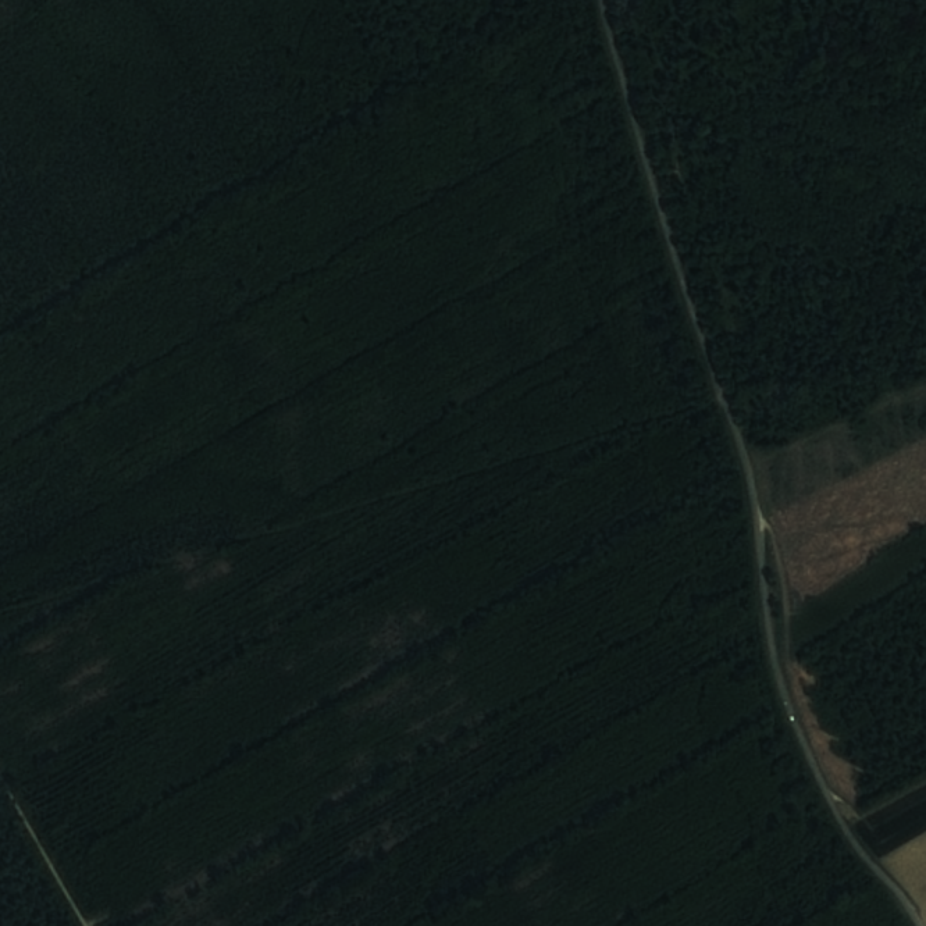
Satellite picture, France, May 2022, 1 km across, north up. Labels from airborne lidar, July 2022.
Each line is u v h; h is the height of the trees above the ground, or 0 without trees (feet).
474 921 17
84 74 20
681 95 54
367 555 24
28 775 21
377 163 25
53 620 85
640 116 81
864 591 0
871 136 59
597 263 26
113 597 54
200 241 29
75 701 17
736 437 0
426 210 37
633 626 22
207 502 31
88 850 33
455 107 24
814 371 89
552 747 29
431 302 25
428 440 34
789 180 74
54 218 33
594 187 70
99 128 19
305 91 41
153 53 21
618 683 19
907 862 0
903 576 0
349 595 22
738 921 26
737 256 79
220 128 36
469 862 27
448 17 41
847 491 0
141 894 17
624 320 27
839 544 0
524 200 26
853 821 0
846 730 19
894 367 50
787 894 22
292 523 24
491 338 27
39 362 23
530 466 34
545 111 41
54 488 17
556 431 23
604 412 33
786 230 45
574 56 27
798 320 35
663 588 20
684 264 46
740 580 35
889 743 36
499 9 76
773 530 0
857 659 42
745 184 51
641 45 26
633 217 61
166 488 29
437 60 57
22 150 18
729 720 18
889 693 66
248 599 18
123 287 22
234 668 23
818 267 28
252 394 22
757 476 0
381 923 29
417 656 79
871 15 96
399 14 77
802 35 30
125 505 37
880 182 44
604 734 38
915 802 0
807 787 64
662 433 30
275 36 31
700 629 21
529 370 40
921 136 61
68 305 70
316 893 25
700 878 17
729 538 35
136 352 21
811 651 47
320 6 18
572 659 25
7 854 95
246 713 19
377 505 19
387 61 31
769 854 19
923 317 73
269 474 18
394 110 75
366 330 20
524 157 43
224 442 29
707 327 52
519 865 64
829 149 73
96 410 41
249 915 20
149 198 29
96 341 18
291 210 19
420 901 22
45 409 19
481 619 62
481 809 40
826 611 0
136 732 18
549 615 22
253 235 23
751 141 63
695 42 87
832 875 32
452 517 19
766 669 41
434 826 27
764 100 37
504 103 33
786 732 27
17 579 30
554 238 17
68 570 25
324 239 19
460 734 56
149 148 19
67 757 25
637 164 21
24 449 25
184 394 23
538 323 20
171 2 19
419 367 24
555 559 20
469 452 27
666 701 19
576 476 29
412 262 19
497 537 19
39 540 31
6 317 26
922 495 0
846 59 88
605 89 82
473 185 41
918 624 42
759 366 80
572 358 35
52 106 23
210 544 23
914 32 76
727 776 25
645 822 18
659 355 24
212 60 19
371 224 21
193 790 36
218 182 30
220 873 73
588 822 71
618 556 88
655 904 33
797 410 79
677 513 93
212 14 20
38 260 24
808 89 39
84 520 33
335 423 19
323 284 24
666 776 54
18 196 25
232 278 21
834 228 57
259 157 32
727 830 19
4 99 18
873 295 46
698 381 86
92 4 20
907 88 77
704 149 34
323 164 66
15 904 100
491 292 31
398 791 30
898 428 19
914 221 69
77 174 31
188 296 21
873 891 24
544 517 19
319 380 26
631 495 28
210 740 18
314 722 35
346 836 22
